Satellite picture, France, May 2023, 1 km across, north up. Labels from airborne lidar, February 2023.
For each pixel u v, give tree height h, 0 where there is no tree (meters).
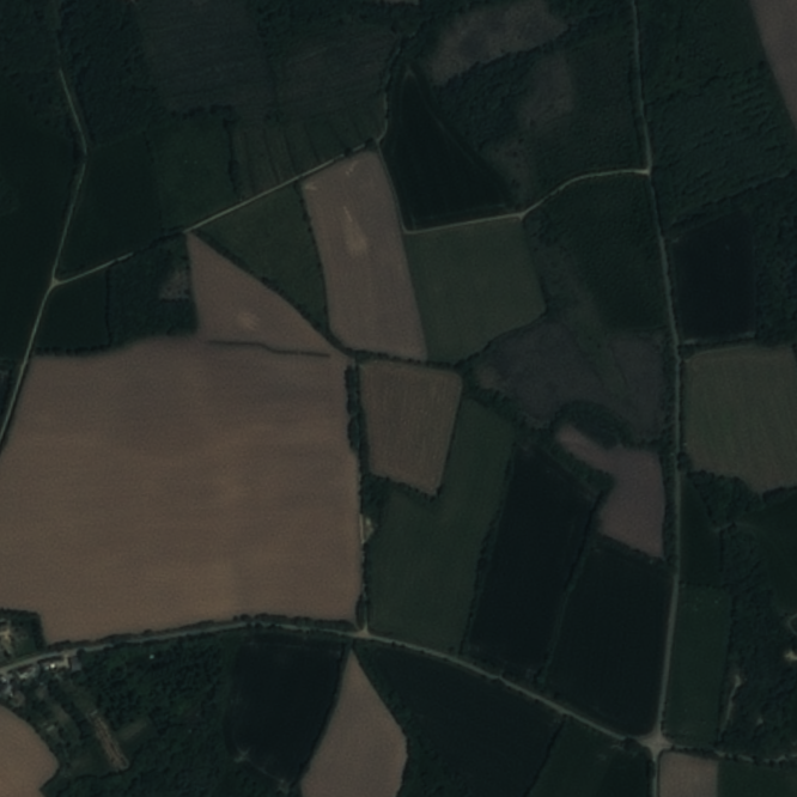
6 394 8
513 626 0
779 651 0
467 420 0
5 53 17
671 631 0
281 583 0
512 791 0
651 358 0
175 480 0
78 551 0
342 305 0
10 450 0
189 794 15
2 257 0
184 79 0
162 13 0
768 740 8
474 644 0
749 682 11
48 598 0
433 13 12
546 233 8
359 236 0
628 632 0
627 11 19
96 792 10
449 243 0
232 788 0
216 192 0
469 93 12
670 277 7
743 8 0
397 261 0
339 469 0
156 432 0
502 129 10
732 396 0
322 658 0
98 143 12
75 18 21
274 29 9
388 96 7
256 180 0
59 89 7
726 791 0
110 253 0
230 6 0
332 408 0
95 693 0
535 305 0
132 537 0
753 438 0
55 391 0
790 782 0
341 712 0
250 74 0
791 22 0
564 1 12
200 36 0
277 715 0
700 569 0
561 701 8
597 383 0
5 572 0
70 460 0
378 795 0
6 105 0
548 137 0
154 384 0
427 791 6
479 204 0
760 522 0
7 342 0
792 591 0
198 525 0
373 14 16
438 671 0
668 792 0
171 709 15
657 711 0
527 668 0
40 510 0
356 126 0
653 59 11
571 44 10
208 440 0
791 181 7
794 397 0
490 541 8
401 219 0
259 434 0
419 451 0
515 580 0
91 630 0
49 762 0
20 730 0
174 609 0
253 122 0
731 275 0
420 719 0
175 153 0
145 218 0
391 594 0
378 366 0
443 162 0
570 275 0
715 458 0
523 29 0
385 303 0
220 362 0
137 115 11
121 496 0
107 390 0
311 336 0
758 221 8
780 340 13
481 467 0
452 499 0
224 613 0
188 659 15
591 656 0
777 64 0
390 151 0
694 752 11
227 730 0
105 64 12
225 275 0
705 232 0
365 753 0
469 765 0
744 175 7
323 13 14
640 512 0
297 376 0
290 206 0
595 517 13
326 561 0
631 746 17
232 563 0
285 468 0
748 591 13
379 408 0
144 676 14
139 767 11
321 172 0
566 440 0
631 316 0
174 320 12
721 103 9
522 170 0
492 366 0
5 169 0
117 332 9
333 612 0
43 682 12
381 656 0
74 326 0
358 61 0
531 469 0
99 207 0
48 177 0
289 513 0
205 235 10
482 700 0
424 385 0
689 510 0
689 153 8
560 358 0
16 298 0
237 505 0
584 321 0
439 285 0
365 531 0
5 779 0
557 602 0
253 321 0
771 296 9
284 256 0
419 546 0
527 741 0
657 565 12
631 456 0
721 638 0
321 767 0
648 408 0
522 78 10
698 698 0
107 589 0
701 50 6
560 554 0
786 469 0
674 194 6
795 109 0
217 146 0
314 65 0
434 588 0
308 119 0
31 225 0
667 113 9
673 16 8
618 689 0
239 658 0
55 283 0
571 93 0
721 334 0
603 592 0
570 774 0
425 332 0
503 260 0
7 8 21
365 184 0
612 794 0
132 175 0
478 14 0
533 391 0
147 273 7
